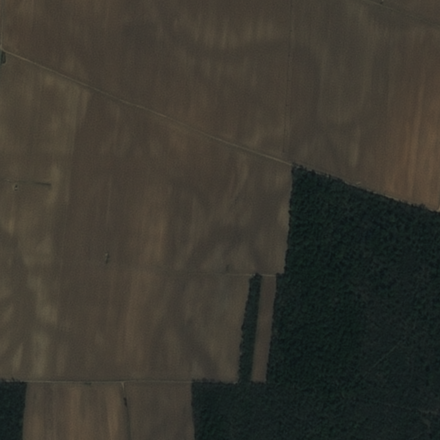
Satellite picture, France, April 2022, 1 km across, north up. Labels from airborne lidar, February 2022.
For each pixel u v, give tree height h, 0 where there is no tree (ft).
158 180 0
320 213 61
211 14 0
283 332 59
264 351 0
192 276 0
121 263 0
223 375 0
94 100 0
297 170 66
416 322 42
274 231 0
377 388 40
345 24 0
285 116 0
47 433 0
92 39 0
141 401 0
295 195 47
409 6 0
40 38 0
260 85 0
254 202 0
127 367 0
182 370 0
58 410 0
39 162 0
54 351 0
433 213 32
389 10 0
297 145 0
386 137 0
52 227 0
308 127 0
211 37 0
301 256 59
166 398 0
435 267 60
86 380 0
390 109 0
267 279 0
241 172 0
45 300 0
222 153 0
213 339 0
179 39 0
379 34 0
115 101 0
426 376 32
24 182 0
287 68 0
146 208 0
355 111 0
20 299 0
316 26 0
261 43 0
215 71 0
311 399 50
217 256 0
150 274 0
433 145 0
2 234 0
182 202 0
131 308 0
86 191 0
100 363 0
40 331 0
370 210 42
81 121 0
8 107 0
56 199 0
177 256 0
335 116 0
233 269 0
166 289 0
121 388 0
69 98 0
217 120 0
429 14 0
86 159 0
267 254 0
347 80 0
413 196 0
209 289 0
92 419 0
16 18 0
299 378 60
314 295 53
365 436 41
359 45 0
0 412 47
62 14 0
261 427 24
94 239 0
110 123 0
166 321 0
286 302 51
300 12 0
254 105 0
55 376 0
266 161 0
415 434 28
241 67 0
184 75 0
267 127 0
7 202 0
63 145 0
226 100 0
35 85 0
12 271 0
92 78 0
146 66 0
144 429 0
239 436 39
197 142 0
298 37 0
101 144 0
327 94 0
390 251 45
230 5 0
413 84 0
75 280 0
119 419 0
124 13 0
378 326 43
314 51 0
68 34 0
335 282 66
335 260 59
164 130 0
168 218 0
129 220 0
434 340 43
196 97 0
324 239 58
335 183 58
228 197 0
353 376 36
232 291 0
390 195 0
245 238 0
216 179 0
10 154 0
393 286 53
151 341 0
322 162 0
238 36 0
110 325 0
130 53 0
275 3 0
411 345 46
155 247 0
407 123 0
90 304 0
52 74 0
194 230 0
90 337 0
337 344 50
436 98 0
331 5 0
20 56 0
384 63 0
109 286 0
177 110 0
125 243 0
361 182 0
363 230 33
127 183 0
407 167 0
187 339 0
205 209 0
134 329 0
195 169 0
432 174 0
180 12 0
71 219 0
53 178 0
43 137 0
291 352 61
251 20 0
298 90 0
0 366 0
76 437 0
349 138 0
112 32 0
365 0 0
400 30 0
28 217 0
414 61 0
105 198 0
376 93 0
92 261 0
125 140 0
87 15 0
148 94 0
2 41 0
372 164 0
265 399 42
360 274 36
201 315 0
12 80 0
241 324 0
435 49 0
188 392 0
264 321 0
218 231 0
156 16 0
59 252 0
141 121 0
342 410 47
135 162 0
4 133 0
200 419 36
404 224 48
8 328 0
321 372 53
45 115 0
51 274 0
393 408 30
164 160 0
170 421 0
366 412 47
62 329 0
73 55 0
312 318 51
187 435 0
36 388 0
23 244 0
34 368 0
